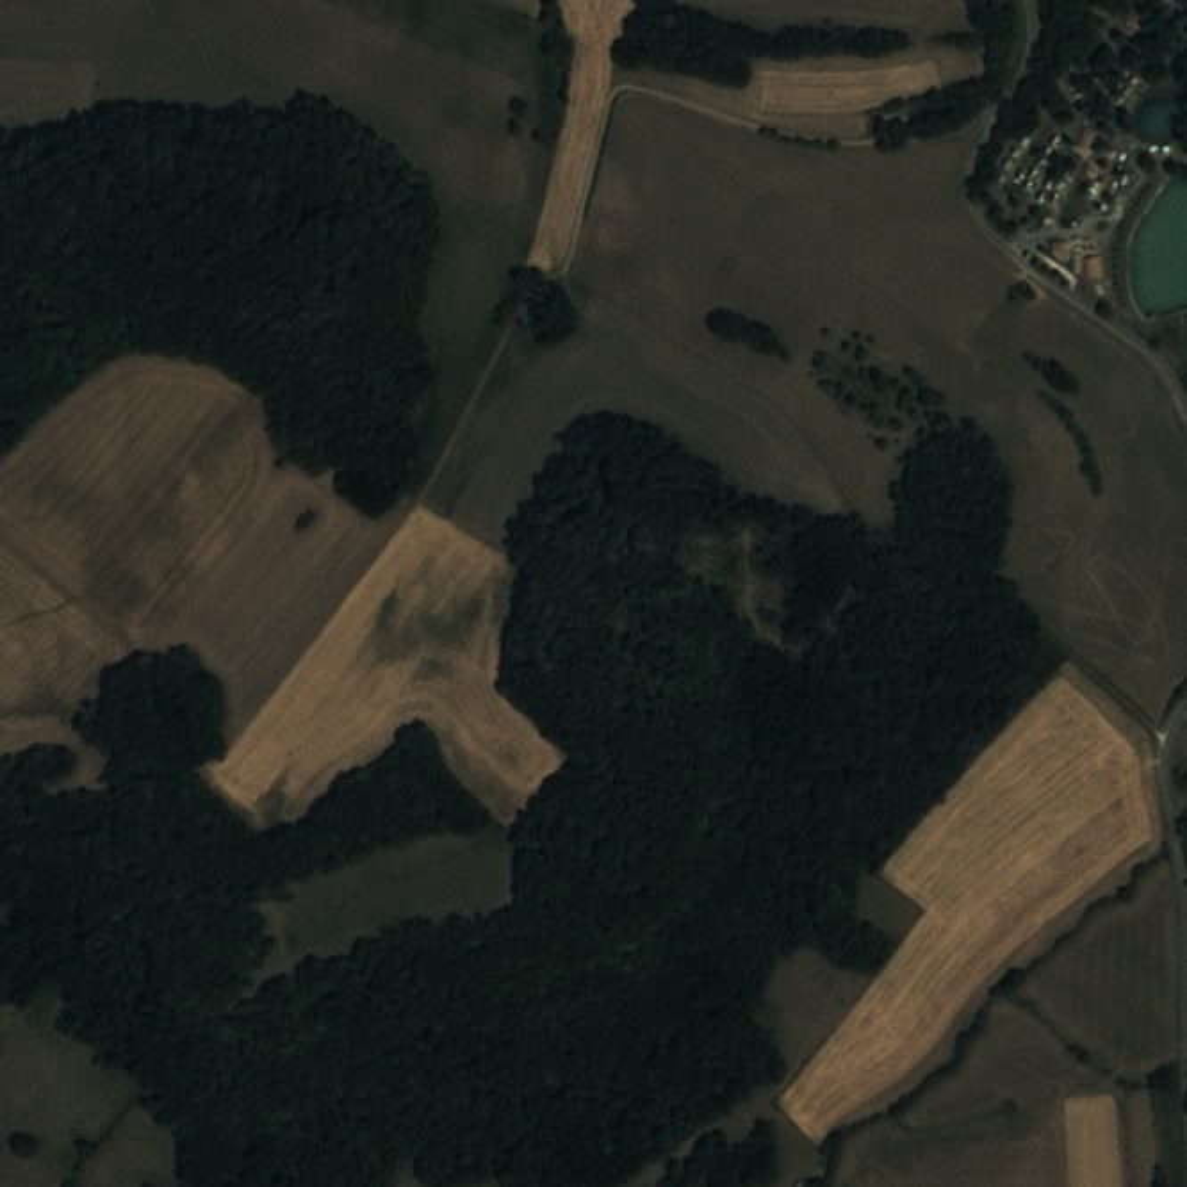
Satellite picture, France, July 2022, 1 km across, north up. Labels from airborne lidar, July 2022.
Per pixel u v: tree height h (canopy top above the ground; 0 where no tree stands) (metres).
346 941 0
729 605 26
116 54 0
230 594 0
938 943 0
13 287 17
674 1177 16
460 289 0
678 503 36
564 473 28
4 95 0
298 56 0
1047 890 0
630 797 19
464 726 0
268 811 0
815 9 0
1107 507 0
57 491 0
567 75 6
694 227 0
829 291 0
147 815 19
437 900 0
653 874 22
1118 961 0
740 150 0
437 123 0
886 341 0
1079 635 0
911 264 0
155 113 23
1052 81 20
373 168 26
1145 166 16
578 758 15
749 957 21
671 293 0
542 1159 6
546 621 24
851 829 15
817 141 7
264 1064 11
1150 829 0
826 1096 0
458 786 18
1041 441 0
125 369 0
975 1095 0
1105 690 0
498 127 0
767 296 0
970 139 0
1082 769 0
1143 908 0
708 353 0
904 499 16
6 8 0
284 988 16
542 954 21
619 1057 25
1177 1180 0
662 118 0
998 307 0
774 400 0
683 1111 21
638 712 19
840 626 9
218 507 0
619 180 0
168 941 16
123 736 16
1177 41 22
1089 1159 0
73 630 0
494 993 19
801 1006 0
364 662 0
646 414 0
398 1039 21
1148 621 0
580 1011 26
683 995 22
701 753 20
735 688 21
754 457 0
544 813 19
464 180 0
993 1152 0
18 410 19
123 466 0
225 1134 22
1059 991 0
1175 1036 0
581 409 0
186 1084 24
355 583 0
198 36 0
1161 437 0
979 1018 7
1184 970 0
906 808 11
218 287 29
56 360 17
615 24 0
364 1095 24
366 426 24
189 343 21
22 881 27
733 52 19
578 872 20
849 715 21
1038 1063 0
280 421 17
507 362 0
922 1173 0
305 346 24
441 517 0
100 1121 0
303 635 0
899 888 0
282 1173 15
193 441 0
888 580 22
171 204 22
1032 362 14
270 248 28
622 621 18
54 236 19
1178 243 0
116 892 19
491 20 0
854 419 0
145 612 0
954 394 0
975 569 21
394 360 28
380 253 27
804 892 20
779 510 22
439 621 0
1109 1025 0
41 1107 0
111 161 33
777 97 0
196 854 21
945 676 29
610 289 0
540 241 0
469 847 0
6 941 22
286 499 0
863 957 17
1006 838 0
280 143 32
